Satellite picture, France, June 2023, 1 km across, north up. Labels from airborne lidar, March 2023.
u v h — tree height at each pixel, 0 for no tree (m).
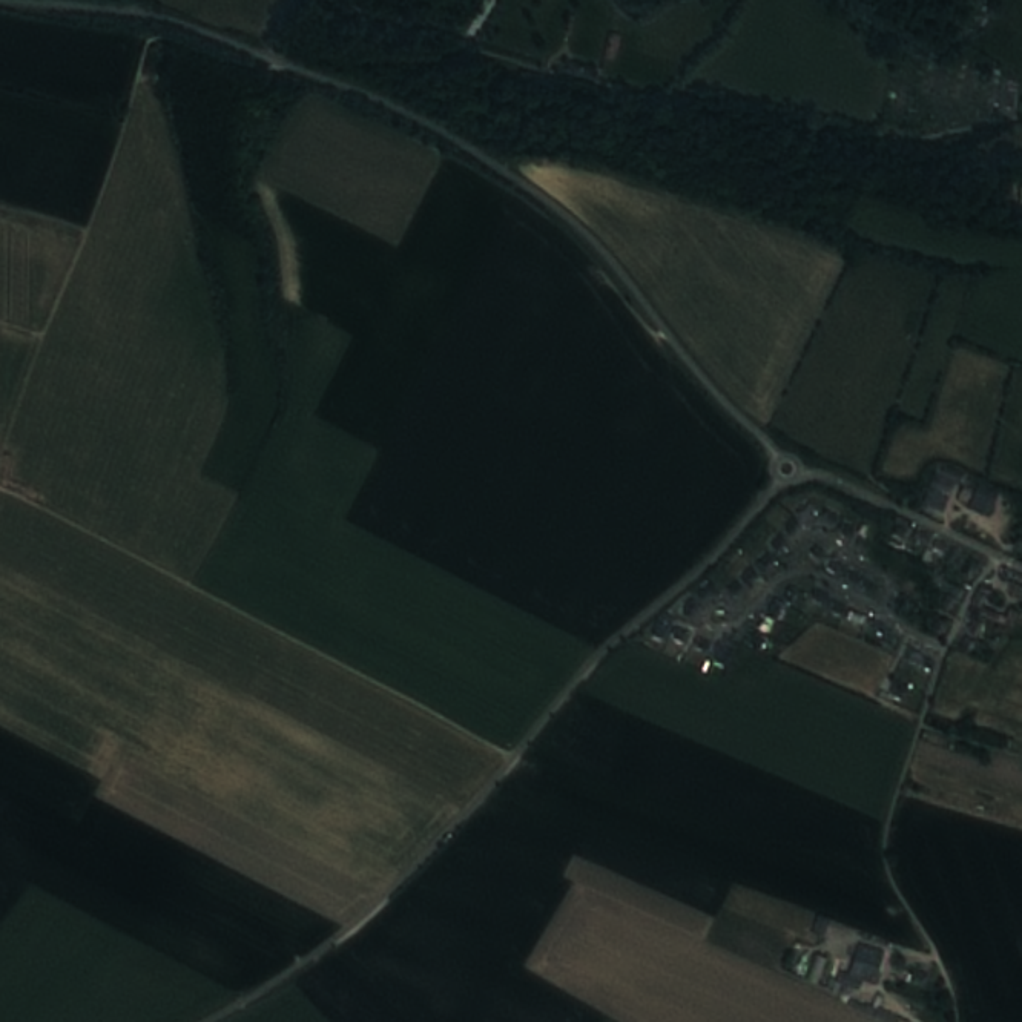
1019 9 0
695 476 0
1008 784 0
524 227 0
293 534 0
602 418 0
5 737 0
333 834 0
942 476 0
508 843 0
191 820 0
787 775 0
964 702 0
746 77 0
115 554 0
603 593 0
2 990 0
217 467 0
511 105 23
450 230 0
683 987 0
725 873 0
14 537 0
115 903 0
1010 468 0
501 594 0
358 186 0
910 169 26
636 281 0
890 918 0
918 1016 0
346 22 27
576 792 0
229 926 0
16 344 0
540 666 0
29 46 0
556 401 0
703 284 0
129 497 0
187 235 0
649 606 0
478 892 0
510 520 0
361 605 0
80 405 0
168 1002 0
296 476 0
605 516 0
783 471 0
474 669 0
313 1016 0
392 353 0
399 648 0
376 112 10
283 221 0
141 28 9
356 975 0
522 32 0
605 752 0
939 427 0
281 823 0
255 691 0
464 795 0
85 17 6
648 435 0
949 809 0
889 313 0
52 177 0
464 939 0
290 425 0
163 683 0
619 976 0
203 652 0
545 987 0
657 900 0
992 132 12
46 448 0
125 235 0
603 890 0
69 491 0
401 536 0
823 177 24
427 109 10
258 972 0
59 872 0
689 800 0
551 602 0
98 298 0
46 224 0
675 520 0
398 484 0
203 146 19
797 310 0
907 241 0
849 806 0
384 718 0
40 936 0
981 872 0
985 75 16
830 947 0
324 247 0
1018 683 0
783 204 19
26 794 0
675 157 22
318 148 0
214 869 0
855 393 0
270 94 16
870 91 0
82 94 0
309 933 0
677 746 0
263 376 0
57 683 0
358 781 0
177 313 0
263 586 0
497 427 0
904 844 0
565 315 0
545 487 0
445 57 6
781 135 27
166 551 0
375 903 0
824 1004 0
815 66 0
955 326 0
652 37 0
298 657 0
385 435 0
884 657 0
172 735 0
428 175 0
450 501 0
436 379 0
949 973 0
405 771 0
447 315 0
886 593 0
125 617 0
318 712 0
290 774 0
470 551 0
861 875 0
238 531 0
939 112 0
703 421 0
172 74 17
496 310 0
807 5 0
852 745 0
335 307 0
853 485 0
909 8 12
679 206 0
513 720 0
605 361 0
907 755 0
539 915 0
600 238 0
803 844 0
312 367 0
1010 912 0
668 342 0
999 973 0
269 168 0
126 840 0
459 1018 0
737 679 0
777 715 0
